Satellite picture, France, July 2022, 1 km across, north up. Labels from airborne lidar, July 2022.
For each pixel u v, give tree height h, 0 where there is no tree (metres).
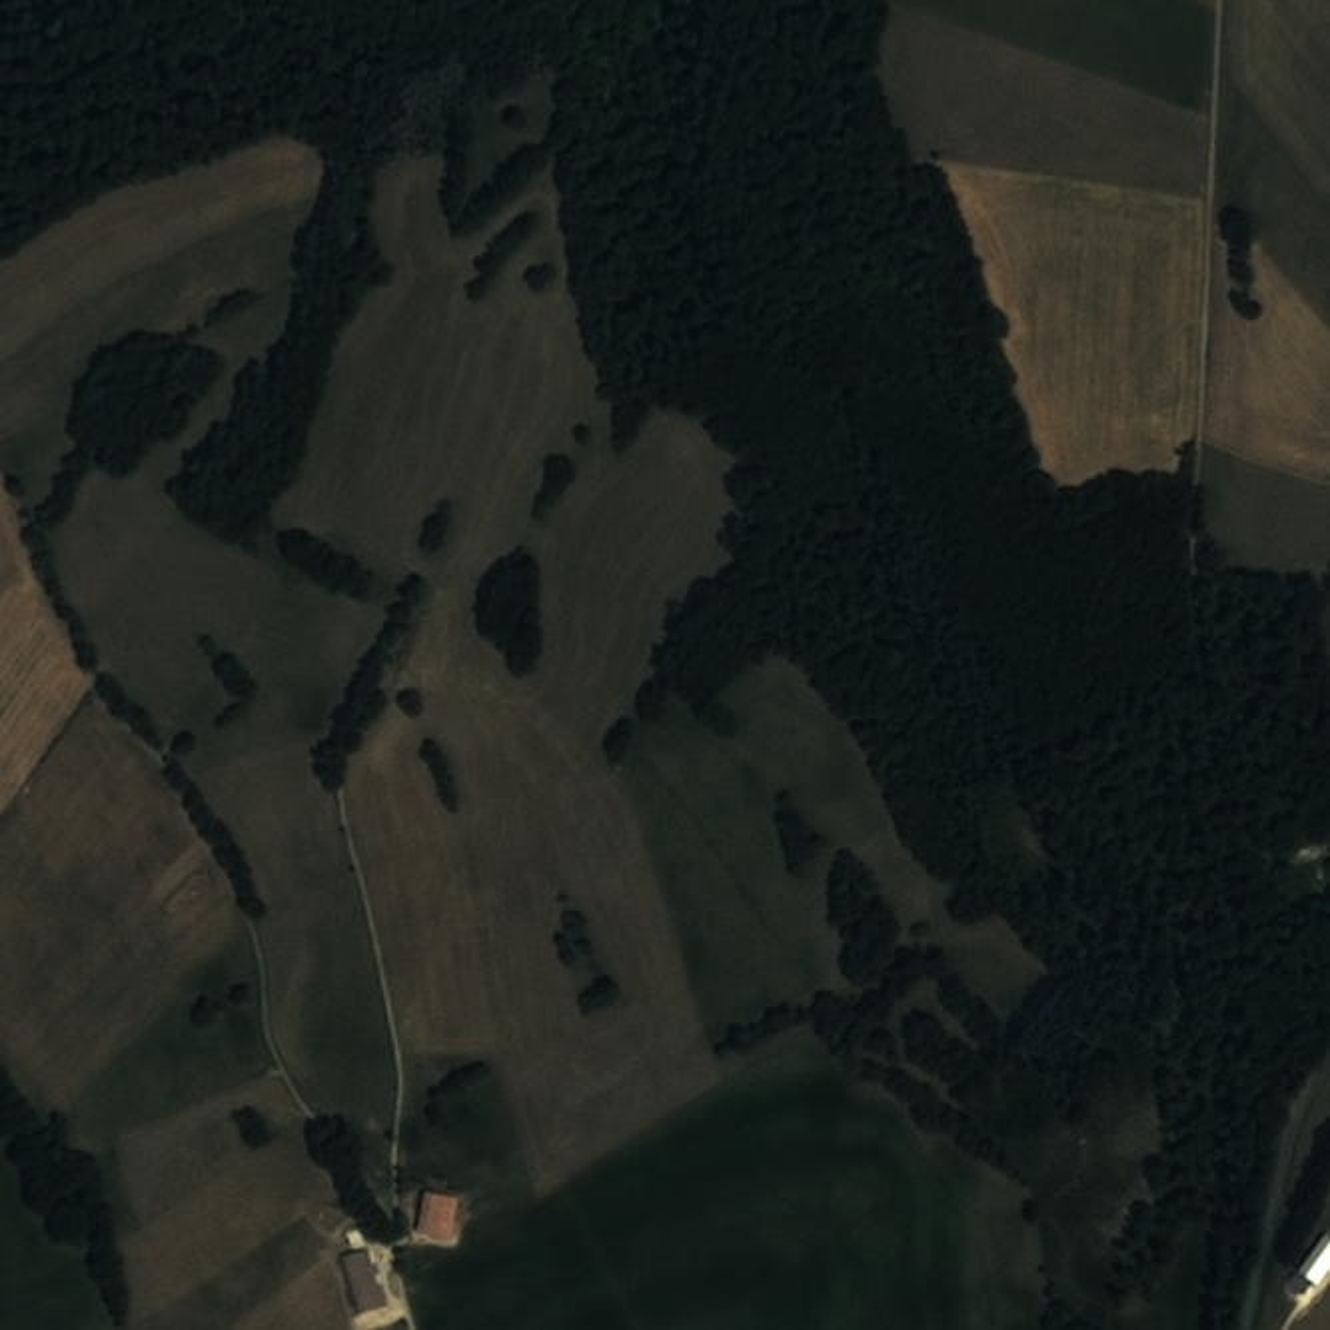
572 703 0
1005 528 13
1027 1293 0
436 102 25
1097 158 0
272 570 0
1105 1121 0
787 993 0
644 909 0
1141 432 0
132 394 16
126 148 25
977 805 6
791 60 26
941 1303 0
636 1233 0
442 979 0
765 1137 0
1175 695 27
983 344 15
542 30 18
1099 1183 0
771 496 24
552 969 0
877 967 21
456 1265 0
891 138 19
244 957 0
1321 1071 17
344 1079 0
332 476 0
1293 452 0
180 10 27
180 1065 0
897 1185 0
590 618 0
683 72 10
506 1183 0
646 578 0
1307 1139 0
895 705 28
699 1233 0
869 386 8
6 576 0
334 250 22
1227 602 14
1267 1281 0
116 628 0
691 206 25
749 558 24
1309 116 0
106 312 0
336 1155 26
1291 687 27
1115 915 15
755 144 27
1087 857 29
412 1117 0
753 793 0
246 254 0
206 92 8
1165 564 13
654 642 0
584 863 0
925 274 19
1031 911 30
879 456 24
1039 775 30
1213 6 0
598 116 28
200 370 21
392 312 0
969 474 11
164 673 0
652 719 11
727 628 19
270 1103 0
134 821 0
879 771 16
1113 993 29
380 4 31
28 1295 0
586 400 0
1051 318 0
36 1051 0
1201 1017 32
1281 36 0
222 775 0
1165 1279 0
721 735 10
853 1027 18
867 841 0
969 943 0
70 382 0
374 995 0
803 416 12
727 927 0
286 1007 0
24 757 0
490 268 16
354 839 0
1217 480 0
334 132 27
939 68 0
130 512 0
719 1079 0
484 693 0
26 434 0
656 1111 0
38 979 0
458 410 0
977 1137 15
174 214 0
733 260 30
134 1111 0
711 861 0
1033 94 0
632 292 6
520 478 0
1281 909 26
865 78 26
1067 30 0
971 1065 28
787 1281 0
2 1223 0
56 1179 21
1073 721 15
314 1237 0
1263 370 0
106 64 30
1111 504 21
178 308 0
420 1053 0
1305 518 0
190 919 0
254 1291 0
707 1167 0
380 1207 17
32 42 30
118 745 0
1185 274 0
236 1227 0
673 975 0
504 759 0
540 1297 0
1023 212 0
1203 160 0
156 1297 0
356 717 15
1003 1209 0
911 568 26
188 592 0
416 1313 0
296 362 24
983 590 10
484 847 0
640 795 0
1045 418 0
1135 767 26
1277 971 20
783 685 0
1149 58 0
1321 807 18
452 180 12
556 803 0
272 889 0
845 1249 0
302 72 28
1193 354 0
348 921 0
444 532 11
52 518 12
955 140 0
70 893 0
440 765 9
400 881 0
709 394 15
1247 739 29
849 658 26
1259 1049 30
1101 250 0
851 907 21
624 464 0
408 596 18
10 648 0
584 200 24
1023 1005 0
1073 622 15
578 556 0
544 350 0
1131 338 0
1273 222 0
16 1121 17
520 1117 0
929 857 21
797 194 25
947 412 12
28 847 0
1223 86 0
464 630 0
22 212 23
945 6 0
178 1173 0
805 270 22
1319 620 14
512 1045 0
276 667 0
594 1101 0
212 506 24
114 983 0
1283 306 0
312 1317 0
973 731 29
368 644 0
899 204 15
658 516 0
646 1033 0
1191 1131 28
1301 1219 19
